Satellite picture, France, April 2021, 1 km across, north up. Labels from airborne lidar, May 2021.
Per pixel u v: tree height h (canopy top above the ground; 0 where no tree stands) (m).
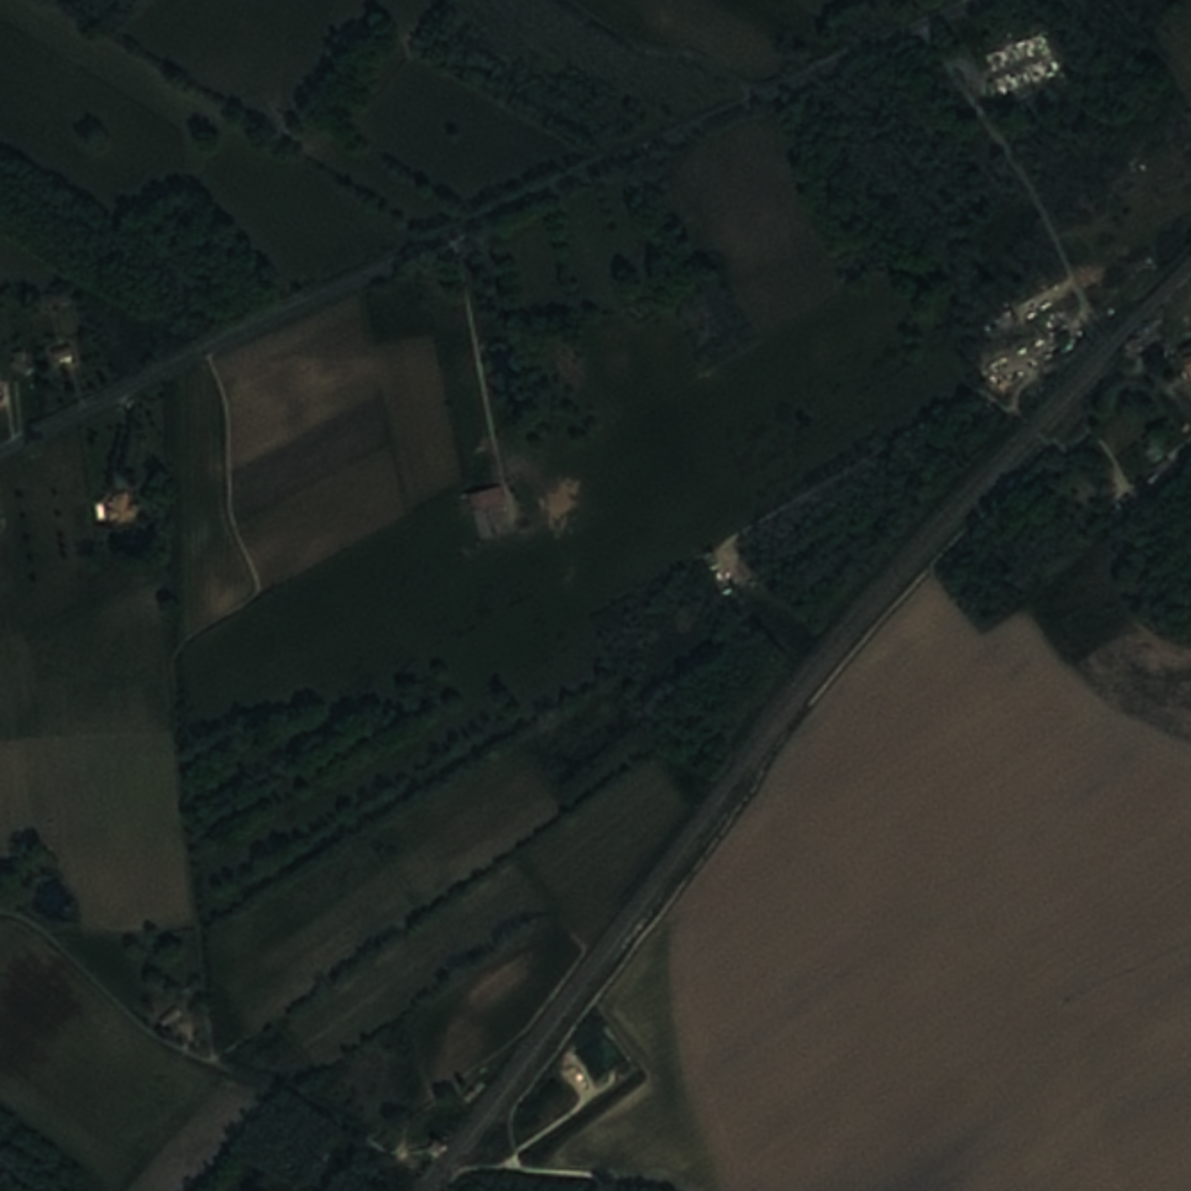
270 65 0
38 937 0
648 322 0
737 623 18
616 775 6
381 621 0
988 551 19
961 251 18
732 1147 0
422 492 0
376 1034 7
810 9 0
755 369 0
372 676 0
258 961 0
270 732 22
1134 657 0
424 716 16
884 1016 0
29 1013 0
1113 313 6
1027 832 0
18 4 0
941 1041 0
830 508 17
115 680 0
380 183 0
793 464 0
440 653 0
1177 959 0
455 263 20
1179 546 21
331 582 0
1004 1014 0
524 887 0
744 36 0
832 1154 0
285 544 0
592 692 8
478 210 14
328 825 12
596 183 16
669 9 0
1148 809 0
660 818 0
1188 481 19
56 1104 0
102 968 0
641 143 0
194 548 0
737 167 0
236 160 0
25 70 0
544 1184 8
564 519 0
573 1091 0
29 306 17
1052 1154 0
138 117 0
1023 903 0
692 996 0
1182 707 0
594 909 0
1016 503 25
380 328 0
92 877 0
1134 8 21
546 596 0
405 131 0
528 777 0
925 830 0
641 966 0
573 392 8
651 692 12
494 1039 0
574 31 18
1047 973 0
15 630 0
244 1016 0
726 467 0
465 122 0
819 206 20
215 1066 0
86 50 0
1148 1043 0
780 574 16
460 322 0
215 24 0
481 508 0
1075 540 12
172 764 0
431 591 0
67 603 0
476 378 0
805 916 0
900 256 21
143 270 22
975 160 12
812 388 0
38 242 18
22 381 0
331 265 0
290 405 0
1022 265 16
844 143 21
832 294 0
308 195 0
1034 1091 0
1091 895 0
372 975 0
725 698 21
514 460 0
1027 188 10
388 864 0
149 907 0
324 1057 0
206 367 0
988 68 0
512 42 18
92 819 0
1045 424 0
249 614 0
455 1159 0
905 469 15
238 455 0
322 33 0
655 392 0
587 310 10
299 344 0
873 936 0
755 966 0
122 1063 0
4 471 0
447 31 23
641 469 0
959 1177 0
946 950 0
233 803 22
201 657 0
